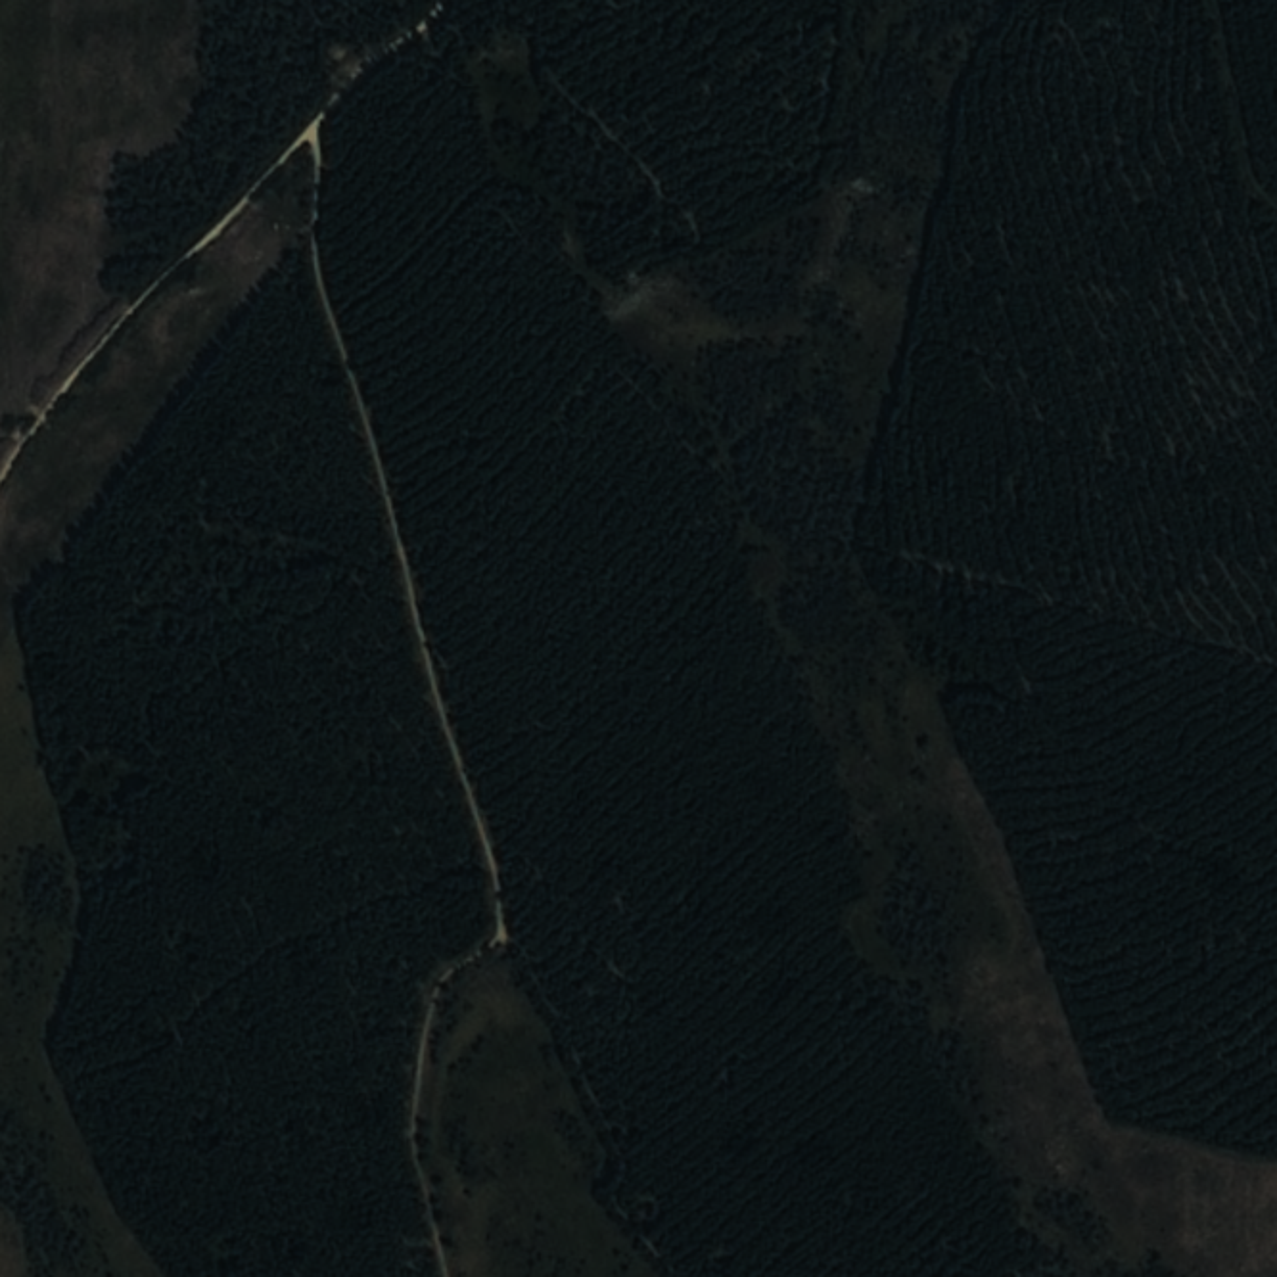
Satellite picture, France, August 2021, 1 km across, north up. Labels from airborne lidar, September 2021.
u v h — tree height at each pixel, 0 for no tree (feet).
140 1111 61
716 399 34
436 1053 31
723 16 50
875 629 21
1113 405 48
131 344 0
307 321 55
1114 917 59
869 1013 48
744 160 51
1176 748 43
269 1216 51
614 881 50
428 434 41
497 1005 0
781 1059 43
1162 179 39
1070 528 50
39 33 0
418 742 46
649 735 54
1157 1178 0
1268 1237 0
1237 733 49
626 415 54
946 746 0
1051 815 39
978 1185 51
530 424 43
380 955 59
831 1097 50
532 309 52
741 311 28
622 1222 56
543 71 73
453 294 48
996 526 54
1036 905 34
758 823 41
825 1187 41
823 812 47
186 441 70
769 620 28
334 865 47
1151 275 51
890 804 0
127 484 65
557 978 55
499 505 51
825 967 56
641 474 54
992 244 51
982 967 0
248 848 52
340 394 55
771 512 34
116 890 61
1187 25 41
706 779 51
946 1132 43
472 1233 0
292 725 60
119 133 0
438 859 33
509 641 46
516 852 40
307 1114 43
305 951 33
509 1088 0
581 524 57
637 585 53
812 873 51
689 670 50
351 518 69
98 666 65
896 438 64
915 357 40
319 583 63
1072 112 42
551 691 48
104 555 63
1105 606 44
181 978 48
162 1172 60
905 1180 43
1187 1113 41
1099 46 40
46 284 0
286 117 48
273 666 48
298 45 48
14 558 0
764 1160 52
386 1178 60
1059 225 55
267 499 58
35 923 19
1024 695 73
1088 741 51
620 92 28
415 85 63
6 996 0
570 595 47
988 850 0
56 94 0
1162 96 41
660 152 48
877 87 31
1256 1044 36
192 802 67
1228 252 40
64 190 0
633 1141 39
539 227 56
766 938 47
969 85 46
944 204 55
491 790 53
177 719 39
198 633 45
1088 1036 38
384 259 52
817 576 23
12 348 0
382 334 48
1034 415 43
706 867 40
